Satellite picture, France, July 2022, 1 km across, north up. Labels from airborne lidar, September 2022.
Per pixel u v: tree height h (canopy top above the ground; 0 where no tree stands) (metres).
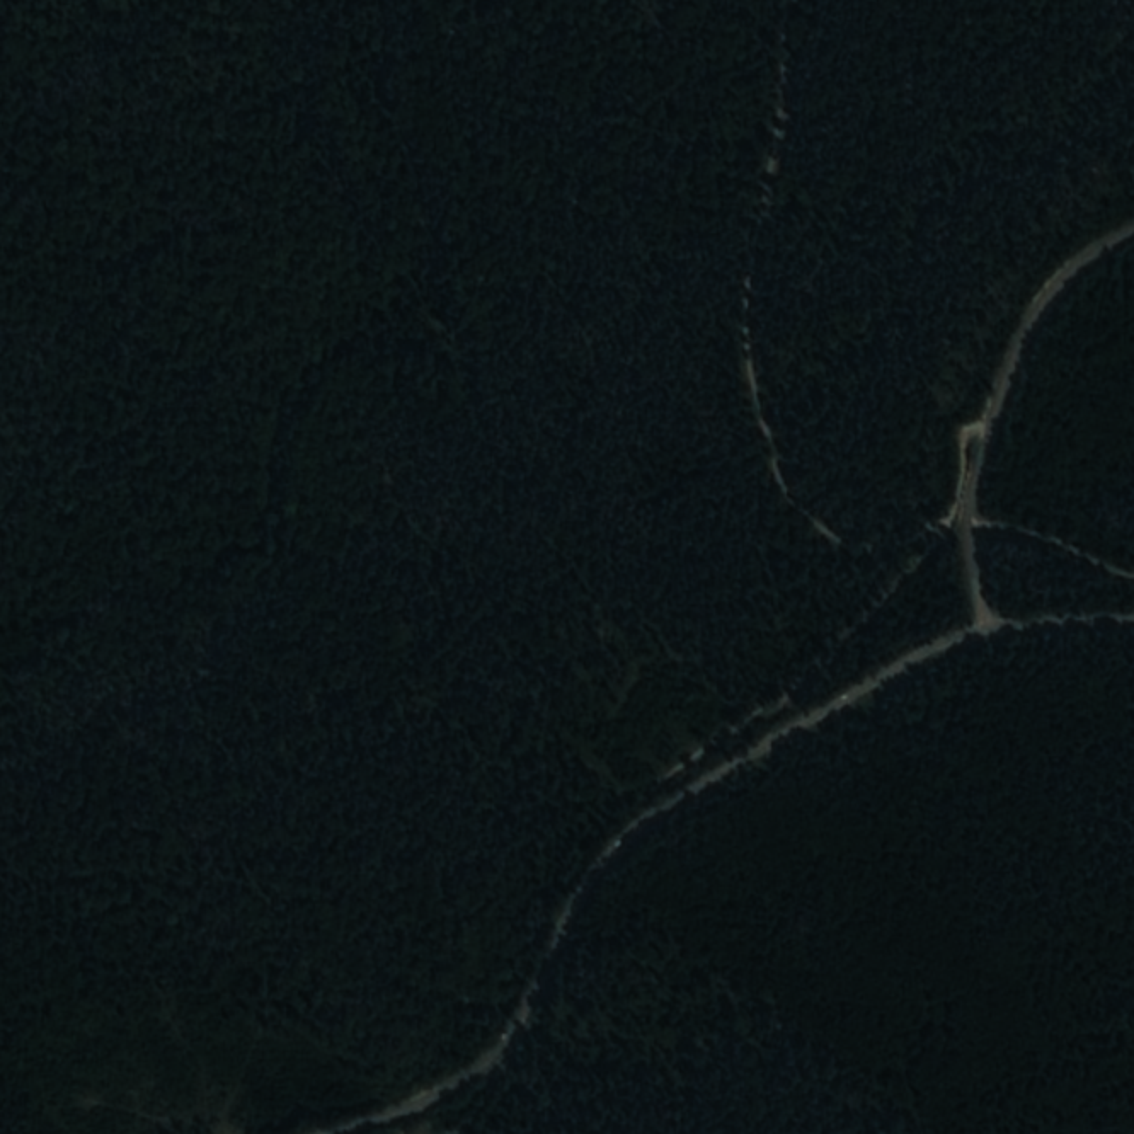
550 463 32
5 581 22
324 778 19
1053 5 27
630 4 23
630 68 26
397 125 36
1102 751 19
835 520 18
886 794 11
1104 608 13
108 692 30
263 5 26
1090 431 15
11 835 28
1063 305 7
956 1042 16
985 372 8
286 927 22
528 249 29
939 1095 16
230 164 18
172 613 22
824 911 15
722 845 13
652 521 29
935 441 7
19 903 16
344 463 18
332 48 33
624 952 27
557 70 26
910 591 11
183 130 20
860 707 0
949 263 24
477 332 28
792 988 17
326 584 28
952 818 15
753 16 28
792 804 13
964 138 6
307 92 24
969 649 14
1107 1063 8
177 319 18
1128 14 24
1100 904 18
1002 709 20
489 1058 0
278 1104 5
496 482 30
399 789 28
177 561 26
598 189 25
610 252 29
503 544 32
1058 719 16
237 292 12
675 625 31
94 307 20
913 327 25
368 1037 19
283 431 26
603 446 8
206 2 17
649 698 9
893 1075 13
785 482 8
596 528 27
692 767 20
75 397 20
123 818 27
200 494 20
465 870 23
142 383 23
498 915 22
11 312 24
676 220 26
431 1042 20
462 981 18
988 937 18
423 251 18
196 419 24
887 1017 10
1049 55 28
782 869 14
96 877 23
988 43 24
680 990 13
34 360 23
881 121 27
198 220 24
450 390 30
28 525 20
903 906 14
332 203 28
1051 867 20
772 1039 10
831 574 24
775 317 29
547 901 36
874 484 25
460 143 25
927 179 26
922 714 12
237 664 29
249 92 16
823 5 25
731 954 14
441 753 31
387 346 32
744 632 16
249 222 17
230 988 10
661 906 14
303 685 31
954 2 25
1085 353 14
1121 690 20
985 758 18
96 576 24
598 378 30
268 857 23
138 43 27
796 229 30
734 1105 30
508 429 26
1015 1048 14
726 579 28
